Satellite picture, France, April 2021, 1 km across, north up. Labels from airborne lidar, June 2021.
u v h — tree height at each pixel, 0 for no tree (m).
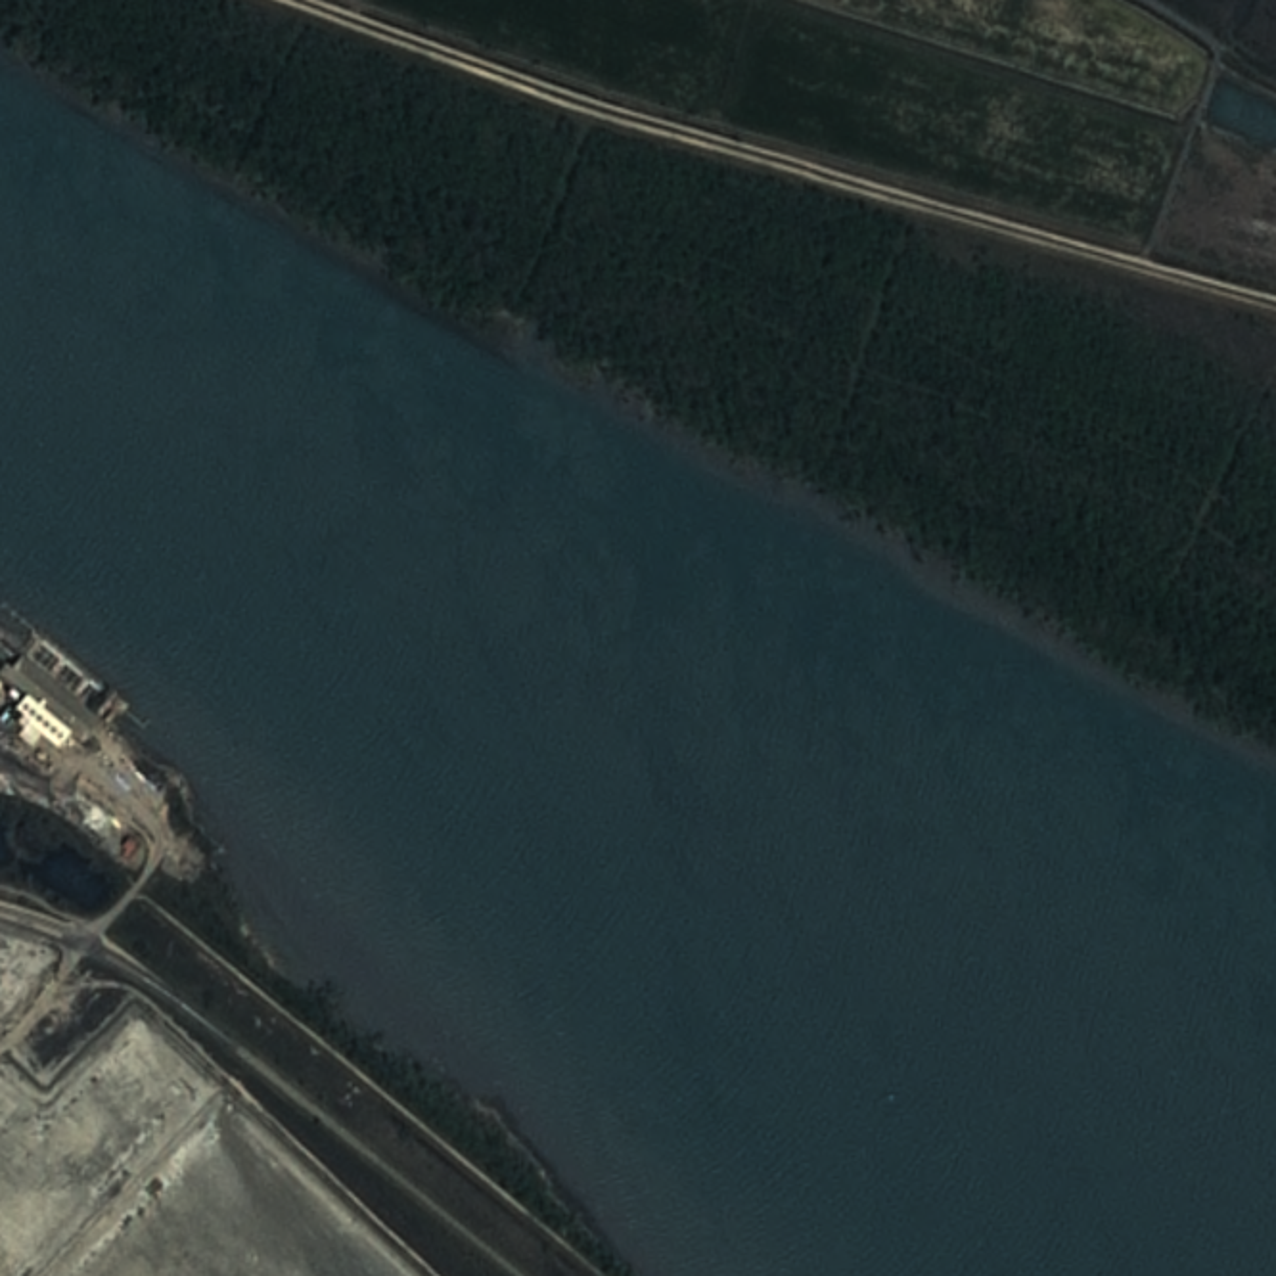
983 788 0
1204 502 8
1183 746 0
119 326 0
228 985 0
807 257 9
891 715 0
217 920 7
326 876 0
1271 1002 0
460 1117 9
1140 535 11
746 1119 0
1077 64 0
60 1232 0
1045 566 11
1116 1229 0
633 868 0
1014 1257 0
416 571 0
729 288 9
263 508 0
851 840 0
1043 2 0
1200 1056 0
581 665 0
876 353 7
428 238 8
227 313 0
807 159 0
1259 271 0
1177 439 9
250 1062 0
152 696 0
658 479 0
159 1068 0
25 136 0
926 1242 0
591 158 10
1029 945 0
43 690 0
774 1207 0
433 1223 0
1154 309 0
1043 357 9
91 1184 0
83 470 0
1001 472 8
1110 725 0
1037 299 8
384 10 0
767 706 0
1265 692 10
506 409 0
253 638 0
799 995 0
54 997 0
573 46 0
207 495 0
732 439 15
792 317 8
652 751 0
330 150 7
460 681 0
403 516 0
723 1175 0
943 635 0
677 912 0
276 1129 0
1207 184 0
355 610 0
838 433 11
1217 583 10
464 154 11
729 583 0
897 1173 0
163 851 0
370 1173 0
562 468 0
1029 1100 0
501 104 9
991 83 0
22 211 0
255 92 14
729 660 0
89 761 0
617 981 0
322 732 0
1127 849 0
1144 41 0
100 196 0
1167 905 0
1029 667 0
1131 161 0
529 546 0
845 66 0
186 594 0
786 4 0
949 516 13
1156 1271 0
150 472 0
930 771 0
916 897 0
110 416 0
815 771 0
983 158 0
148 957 7
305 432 0
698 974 0
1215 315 0
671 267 10
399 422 0
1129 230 0
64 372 0
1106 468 7
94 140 0
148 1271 0
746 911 0
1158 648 12
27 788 0
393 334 0
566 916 0
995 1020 0
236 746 0
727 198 7
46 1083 0
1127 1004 0
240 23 10
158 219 0
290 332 0
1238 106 0
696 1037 0
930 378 7
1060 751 0
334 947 0
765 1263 0
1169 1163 0
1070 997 0
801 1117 0
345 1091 0
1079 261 0
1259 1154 0
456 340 0
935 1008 0
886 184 0
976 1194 0
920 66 0
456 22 0
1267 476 11
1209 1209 0
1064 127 0
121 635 0
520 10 0
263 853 0
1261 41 0
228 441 0
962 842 0
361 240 9
